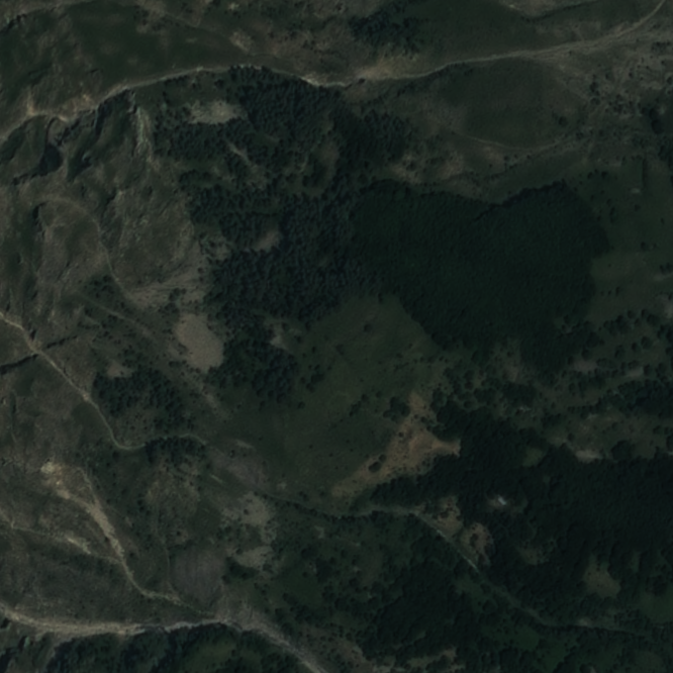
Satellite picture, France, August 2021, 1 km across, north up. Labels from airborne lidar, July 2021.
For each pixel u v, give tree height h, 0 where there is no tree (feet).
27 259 0
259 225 74
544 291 84
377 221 62
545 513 76
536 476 88
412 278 72
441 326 78
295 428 0
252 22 0
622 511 87
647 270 0
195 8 0
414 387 0
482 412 46
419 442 0
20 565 0
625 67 0
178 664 33
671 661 49
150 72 0
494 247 60
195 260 0
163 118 45
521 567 62
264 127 94
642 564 45
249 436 0
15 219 0
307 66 0
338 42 23
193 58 0
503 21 0
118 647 0
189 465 41
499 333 64
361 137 53
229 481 0
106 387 82
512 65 0
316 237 32
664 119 0
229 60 0
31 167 0
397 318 0
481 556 28
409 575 66
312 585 0
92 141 0
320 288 83
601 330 24
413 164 26
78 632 0
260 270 68
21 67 0
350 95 0
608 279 0
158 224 0
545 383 20
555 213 66
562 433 0
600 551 47
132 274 0
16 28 0
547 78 0
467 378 37
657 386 65
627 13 0
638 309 0
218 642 18
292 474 0
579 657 53
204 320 0
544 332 83
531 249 72
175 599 0
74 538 0
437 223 81
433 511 30
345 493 0
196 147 87
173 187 30
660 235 0
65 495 0
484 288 79
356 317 0
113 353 0
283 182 44
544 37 0
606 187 0
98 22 0
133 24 0
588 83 0
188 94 0
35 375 0
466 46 0
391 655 20
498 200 0
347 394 0
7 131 0
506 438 71
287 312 53
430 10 0
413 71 0
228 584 53
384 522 25
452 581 41
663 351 0
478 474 63
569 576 24
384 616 57
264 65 0
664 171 0
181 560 0
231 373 26
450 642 63
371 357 0
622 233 0
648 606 0
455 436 47
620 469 56
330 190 34
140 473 0
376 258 73
